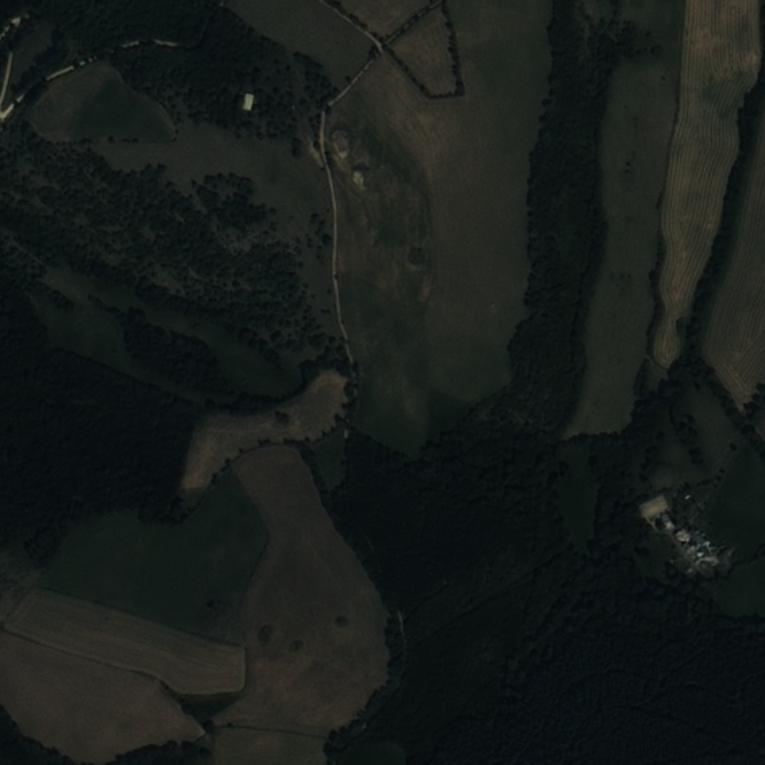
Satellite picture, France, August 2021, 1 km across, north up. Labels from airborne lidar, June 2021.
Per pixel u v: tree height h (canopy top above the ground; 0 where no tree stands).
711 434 0
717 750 20
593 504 0
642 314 0
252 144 0
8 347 17
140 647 0
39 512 18
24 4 13
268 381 0
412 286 0
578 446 14
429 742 16
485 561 6
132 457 22
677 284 0
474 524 15
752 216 0
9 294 14
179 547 0
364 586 0
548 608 17
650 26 0
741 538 0
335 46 0
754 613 0
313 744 0
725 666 19
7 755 18
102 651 0
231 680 0
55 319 0
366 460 12
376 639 0
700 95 0
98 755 0
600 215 16
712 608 17
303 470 0
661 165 0
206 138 0
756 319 0
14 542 10
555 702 19
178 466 11
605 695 20
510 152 0
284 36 0
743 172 6
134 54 9
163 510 7
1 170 12
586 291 13
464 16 0
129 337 9
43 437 15
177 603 0
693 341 14
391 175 0
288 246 6
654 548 0
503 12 0
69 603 0
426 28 0
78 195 8
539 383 13
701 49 0
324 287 0
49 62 13
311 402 0
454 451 17
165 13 13
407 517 11
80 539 0
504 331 0
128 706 0
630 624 22
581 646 21
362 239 0
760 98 11
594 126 9
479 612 13
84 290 0
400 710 9
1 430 18
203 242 7
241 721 0
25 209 7
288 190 0
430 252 0
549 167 14
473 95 0
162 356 15
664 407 20
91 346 0
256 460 0
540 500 26
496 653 8
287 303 9
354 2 0
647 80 0
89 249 9
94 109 0
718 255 13
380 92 0
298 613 0
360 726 16
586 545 0
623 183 0
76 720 0
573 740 15
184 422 9
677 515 8
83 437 13
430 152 0
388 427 0
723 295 0
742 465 0
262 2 0
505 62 0
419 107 0
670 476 0
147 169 6
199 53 11
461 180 0
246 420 0
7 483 14
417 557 16
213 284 6
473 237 0
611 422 0
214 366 18
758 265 0
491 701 10
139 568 0
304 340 9
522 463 33
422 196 0
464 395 0
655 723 22
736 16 0
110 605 0
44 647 0
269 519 0
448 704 10
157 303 18
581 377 14
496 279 0
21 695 0
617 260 0
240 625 0
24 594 0
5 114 0
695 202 0
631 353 0
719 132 0
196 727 0
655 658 18
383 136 0
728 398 14
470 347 0
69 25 13
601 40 11
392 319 0
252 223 9
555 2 7
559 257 10
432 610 9
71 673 0
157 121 0
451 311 0
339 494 10
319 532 0
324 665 0
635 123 0
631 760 21
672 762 20
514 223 0
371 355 0
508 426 10
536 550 18
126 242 9
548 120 17
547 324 18
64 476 10
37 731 0
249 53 8
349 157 0
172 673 0
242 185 9
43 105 0
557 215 8
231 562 0
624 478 24
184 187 0
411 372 0
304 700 0
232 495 0
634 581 24
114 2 9
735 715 19
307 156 0
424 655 12
